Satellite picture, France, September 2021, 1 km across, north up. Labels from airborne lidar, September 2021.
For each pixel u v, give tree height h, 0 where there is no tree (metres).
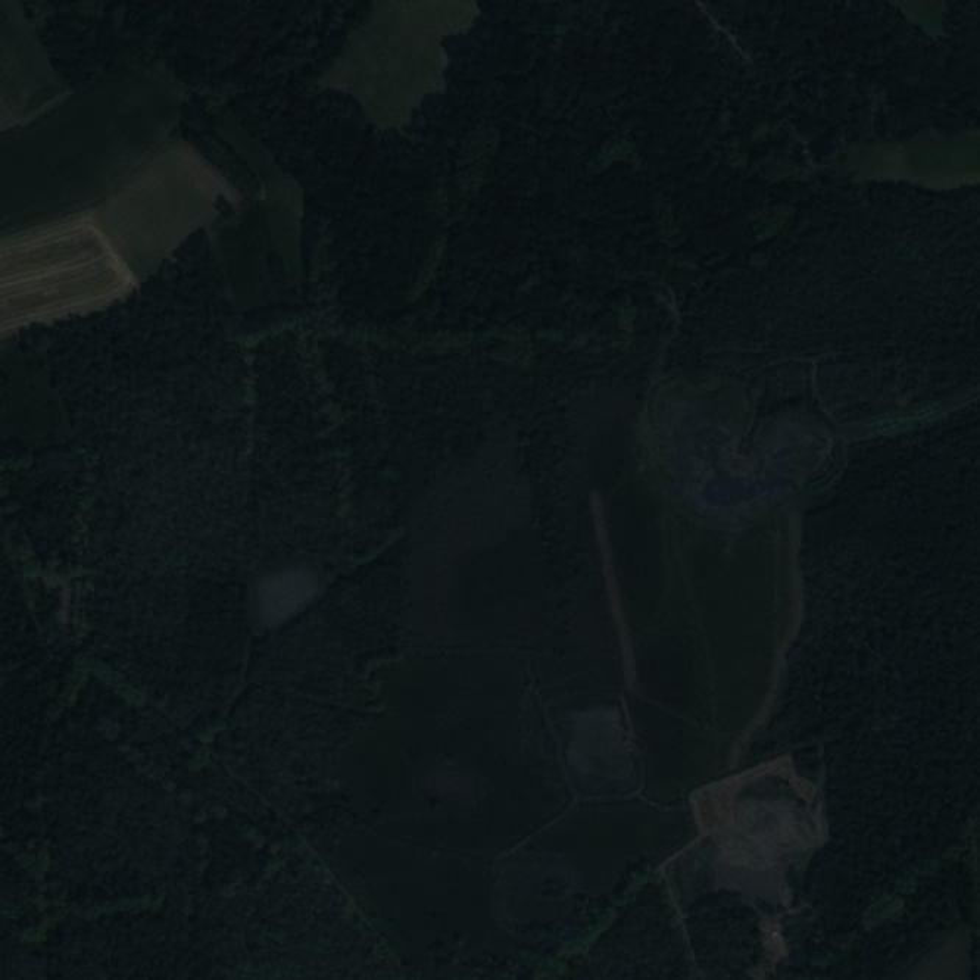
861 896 19
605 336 13
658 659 0
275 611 0
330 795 8
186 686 13
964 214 13
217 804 16
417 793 0
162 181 0
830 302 6
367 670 14
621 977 13
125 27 27
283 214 0
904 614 19
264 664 8
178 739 24
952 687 19
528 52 24
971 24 27
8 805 17
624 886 13
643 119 25
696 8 13
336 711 7
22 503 7
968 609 12
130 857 14
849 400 10
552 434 8
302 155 26
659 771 0
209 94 22
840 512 9
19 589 24
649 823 0
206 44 24
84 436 8
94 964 13
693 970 15
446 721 0
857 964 22
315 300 17
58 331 9
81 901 21
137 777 16
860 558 11
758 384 9
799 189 21
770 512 0
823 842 0
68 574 22
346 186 26
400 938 0
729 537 0
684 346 7
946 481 14
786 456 0
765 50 9
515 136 22
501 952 0
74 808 10
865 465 7
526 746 0
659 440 0
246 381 18
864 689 20
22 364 0
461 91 24
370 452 14
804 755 11
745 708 0
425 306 27
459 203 22
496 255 18
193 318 10
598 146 32
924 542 17
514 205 21
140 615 11
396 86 0
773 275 9
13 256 0
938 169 0
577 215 25
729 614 0
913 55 26
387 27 0
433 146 21
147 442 16
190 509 12
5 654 11
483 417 7
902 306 7
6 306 0
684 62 28
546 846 0
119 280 0
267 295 0
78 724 16
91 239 0
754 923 7
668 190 26
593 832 0
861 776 18
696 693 0
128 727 9
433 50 0
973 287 11
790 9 21
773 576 0
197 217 0
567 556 8
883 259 8
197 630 8
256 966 16
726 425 0
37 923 21
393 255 27
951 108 24
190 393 16
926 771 21
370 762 0
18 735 15
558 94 16
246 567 7
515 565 0
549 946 9
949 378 11
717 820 0
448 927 0
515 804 0
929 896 15
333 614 15
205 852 14
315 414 9
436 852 0
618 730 0
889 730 7
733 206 26
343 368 9
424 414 11
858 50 19
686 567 0
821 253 13
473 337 11
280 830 11
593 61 18
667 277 25
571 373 7
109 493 19
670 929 11
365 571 6
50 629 19
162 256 0
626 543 0
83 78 14
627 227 23
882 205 14
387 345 15
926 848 22
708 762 0
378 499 17
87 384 16
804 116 24
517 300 25
